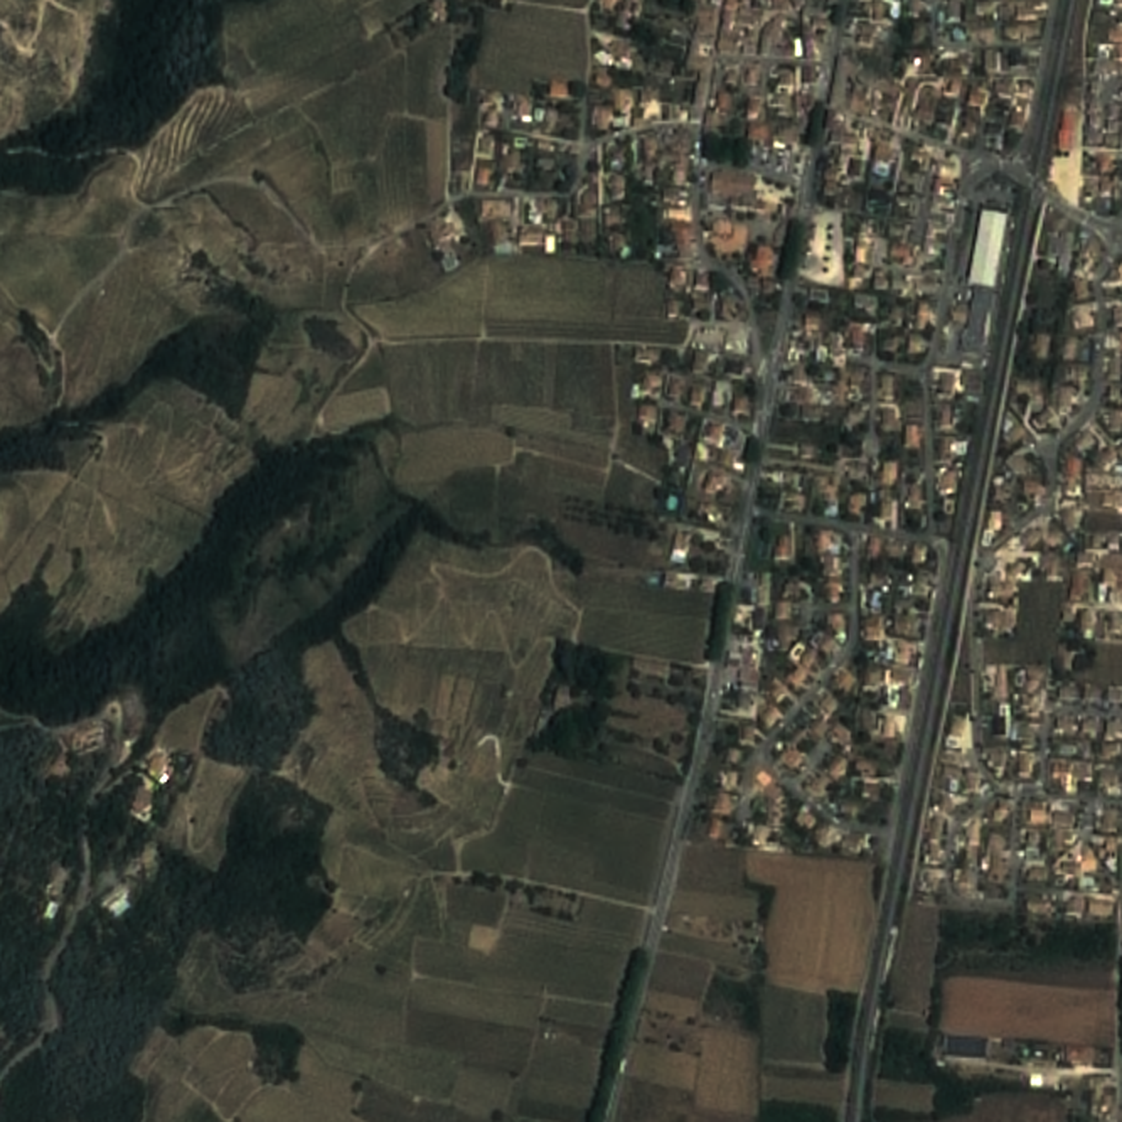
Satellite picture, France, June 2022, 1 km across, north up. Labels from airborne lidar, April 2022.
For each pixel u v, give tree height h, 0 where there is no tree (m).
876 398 0
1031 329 13
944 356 0
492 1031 0
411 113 0
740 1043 0
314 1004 0
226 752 15
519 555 0
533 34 0
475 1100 0
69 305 0
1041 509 0
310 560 7
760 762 0
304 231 0
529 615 0
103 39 10
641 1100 0
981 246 0
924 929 0
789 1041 0
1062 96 0
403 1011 0
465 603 0
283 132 0
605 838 0
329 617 6
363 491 0
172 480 0
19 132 14
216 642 10
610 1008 0
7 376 0
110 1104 7
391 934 0
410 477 0
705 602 0
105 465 0
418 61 0
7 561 0
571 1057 0
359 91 0
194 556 18
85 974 7
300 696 6
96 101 12
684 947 0
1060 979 0
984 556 0
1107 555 0
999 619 0
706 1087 0
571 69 0
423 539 0
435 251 7
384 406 0
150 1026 10
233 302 7
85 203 0
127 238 0
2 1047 11
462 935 0
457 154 0
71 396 0
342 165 0
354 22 0
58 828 6
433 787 0
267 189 0
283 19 0
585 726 8
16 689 15
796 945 0
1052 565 0
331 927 0
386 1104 0
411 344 0
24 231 0
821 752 0
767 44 0
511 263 0
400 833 0
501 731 0
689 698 12
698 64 0
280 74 0
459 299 0
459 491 0
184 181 0
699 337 0
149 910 8
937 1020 9
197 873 8
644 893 0
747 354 0
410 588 0
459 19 10
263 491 12
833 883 0
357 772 0
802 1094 0
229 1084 0
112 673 13
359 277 0
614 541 0
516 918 0
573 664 19
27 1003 10
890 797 10
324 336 0
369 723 0
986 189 0
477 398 0
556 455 0
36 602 7
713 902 0
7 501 0
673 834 0
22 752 12
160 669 6
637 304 0
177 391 0
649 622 0
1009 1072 0
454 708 0
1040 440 0
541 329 0
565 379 0
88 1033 11
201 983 0
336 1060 0
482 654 0
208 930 12
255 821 6
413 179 0
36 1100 7
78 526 0
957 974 0
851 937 0
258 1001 0
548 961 0
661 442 6
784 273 18
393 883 0
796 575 9
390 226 0
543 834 0
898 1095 0
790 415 13
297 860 9
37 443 14
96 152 9
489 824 0
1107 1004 0
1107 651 0
